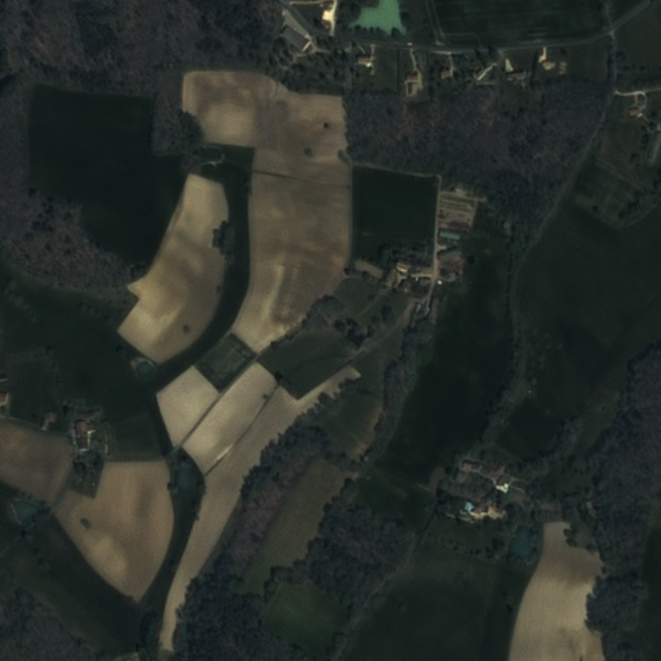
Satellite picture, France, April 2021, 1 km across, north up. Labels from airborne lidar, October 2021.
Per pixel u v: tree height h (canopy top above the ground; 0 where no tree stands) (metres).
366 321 0
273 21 13
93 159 0
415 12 0
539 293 0
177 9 15
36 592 0
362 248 0
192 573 0
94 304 0
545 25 0
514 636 0
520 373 11
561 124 17
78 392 0
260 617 19
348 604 17
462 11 0
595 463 20
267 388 0
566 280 0
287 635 0
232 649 17
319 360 0
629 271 0
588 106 15
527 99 0
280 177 0
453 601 0
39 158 0
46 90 0
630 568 18
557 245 0
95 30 22
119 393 0
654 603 0
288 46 14
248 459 0
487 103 22
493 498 8
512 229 6
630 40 0
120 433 0
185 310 0
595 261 0
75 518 0
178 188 0
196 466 0
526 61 0
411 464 0
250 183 9
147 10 15
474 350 0
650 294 0
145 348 0
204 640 23
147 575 0
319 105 0
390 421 16
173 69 17
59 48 13
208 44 15
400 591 0
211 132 0
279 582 16
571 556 0
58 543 0
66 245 11
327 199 0
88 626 0
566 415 0
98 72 24
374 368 0
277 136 0
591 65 0
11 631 19
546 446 0
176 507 0
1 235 16
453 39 0
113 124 0
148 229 0
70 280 15
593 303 0
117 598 0
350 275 12
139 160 0
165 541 0
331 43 13
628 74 15
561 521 8
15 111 11
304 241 0
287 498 19
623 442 17
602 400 0
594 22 0
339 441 0
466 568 0
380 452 17
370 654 0
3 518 0
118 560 0
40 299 0
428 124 10
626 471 22
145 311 0
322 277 0
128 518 0
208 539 0
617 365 0
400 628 0
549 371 0
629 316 0
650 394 15
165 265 0
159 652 28
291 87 15
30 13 12
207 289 0
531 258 0
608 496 19
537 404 0
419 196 0
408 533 20
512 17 0
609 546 22
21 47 10
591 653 0
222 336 0
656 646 0
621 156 0
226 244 20
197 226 0
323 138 0
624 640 0
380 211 0
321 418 10
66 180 0
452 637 0
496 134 15
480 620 0
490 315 0
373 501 0
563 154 14
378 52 0
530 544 11
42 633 21
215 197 0
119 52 18
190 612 12
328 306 19
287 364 0
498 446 0
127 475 0
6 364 0
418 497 0
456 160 15
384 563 17
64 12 19
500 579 0
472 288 0
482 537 0
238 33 6
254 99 0
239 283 0
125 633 0
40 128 0
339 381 0
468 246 0
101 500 0
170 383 0
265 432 0
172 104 14
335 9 0
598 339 0
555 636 0
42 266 8
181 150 14
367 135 22
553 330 0
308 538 0
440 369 0
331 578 21
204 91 0
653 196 9
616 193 0
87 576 0
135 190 0
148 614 0
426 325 17
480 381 0
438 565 0
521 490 0
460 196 0
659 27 0
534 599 0
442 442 0
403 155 18
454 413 0
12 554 0
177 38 18
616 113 15
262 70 17
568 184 13
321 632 0
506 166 13
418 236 0
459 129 20
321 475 0
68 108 0
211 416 0
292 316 0
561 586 0
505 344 0
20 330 0
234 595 20
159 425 0
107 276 12
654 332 0
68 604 0
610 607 23
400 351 0
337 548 18
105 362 0
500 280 0
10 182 15
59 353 0
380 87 0
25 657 21
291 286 0
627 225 13
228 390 0
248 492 14
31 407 0
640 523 21
